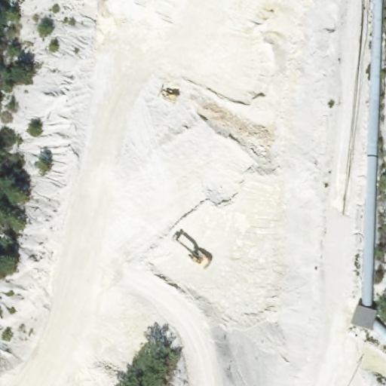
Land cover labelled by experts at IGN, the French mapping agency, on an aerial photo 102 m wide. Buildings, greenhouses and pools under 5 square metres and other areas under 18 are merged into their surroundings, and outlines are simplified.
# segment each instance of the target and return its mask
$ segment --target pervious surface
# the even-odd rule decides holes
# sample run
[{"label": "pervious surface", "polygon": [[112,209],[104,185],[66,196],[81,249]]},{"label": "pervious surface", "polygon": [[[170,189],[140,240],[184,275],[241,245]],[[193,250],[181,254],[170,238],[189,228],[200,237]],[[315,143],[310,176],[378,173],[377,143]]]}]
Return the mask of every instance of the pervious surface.
[{"label": "pervious surface", "polygon": [[[17,271],[0,279],[0,386],[116,386],[127,380],[128,366],[133,363],[142,345],[146,344],[146,341],[155,344],[155,339],[161,335],[167,336],[172,342],[172,347],[181,347],[182,350],[175,372],[167,377],[167,386],[386,386],[386,0],[11,0],[20,3],[20,39],[23,50],[32,53],[33,59],[41,68],[36,71],[32,84],[17,84],[12,92],[6,90],[0,107],[0,130],[12,128],[23,139],[21,145],[14,143],[11,146],[11,154],[20,152],[24,155],[24,170],[29,173],[32,190],[30,201],[26,202],[26,228],[18,235],[20,262]],[[36,161],[41,158],[45,146],[51,151],[53,166],[50,172],[42,175],[41,170],[36,167]]]}]

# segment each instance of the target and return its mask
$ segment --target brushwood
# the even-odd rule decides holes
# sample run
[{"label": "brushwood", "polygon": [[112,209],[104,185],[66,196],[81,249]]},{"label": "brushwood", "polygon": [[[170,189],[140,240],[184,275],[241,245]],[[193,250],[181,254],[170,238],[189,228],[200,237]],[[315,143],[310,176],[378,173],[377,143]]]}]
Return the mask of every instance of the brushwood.
[{"label": "brushwood", "polygon": [[20,39],[20,3],[11,0],[0,0],[0,35],[5,33],[8,41]]},{"label": "brushwood", "polygon": [[51,151],[45,146],[41,158],[36,161],[36,167],[41,170],[42,175],[50,172],[53,166]]}]

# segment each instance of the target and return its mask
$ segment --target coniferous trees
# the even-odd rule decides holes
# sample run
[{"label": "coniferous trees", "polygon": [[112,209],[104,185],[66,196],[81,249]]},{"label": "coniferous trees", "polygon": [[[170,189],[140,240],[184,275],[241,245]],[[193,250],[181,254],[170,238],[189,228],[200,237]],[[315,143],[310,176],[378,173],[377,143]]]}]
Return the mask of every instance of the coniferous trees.
[{"label": "coniferous trees", "polygon": [[161,335],[155,339],[155,344],[146,341],[146,344],[142,345],[133,363],[128,366],[127,380],[116,386],[167,386],[167,377],[175,372],[182,350],[181,347],[172,347],[172,342],[167,336]]},{"label": "coniferous trees", "polygon": [[30,201],[32,190],[29,173],[24,170],[24,155],[20,152],[11,154],[11,146],[14,143],[21,145],[23,139],[12,128],[0,130],[0,279],[17,271],[20,262],[18,235],[26,228],[26,202]]},{"label": "coniferous trees", "polygon": [[12,92],[17,84],[32,84],[36,71],[41,68],[33,59],[32,53],[23,50],[20,39],[8,41],[5,33],[0,35],[0,107],[6,90]]}]

